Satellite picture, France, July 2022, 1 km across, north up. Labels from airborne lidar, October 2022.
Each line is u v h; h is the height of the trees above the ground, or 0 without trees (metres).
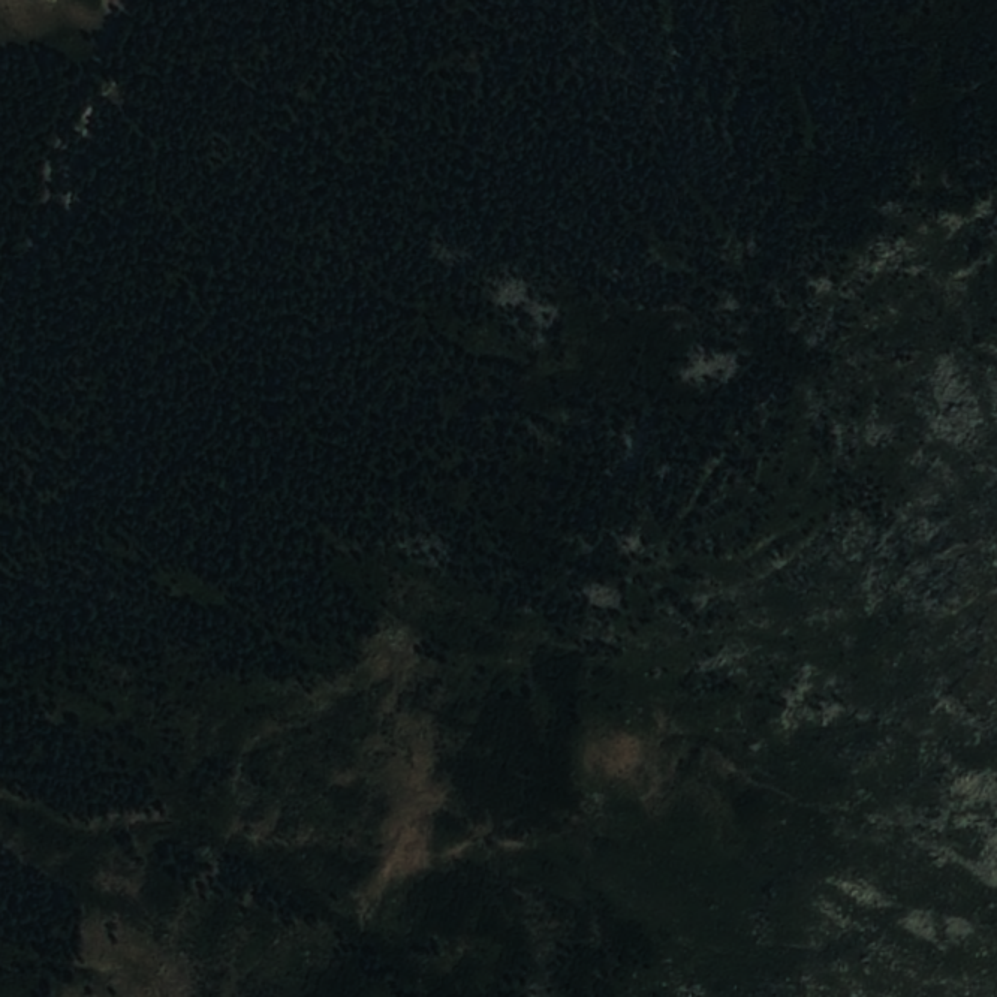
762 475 0
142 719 7
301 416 26
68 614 8
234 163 19
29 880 14
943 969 0
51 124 19
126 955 0
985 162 9
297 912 14
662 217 15
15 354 22
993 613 0
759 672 0
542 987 0
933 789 0
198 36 14
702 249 11
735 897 0
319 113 15
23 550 17
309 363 25
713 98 7
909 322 0
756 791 0
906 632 0
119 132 18
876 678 0
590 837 0
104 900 0
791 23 6
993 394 0
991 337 0
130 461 7
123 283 18
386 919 0
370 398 19
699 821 0
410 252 11
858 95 8
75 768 15
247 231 17
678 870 0
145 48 17
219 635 15
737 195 14
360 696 10
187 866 16
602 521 12
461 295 8
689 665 0
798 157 17
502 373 12
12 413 18
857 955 0
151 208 17
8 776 19
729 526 0
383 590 0
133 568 20
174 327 21
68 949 13
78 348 20
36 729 14
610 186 24
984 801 0
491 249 16
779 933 0
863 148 11
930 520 0
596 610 12
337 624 17
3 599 20
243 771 8
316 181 14
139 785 16
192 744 0
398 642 0
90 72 17
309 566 16
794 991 0
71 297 8
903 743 0
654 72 11
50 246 33
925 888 0
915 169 6
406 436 15
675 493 10
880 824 0
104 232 8
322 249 9
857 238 8
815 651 0
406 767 0
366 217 20
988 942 0
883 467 0
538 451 11
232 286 20
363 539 17
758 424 8
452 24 16
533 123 22
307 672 14
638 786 0
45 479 15
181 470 24
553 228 15
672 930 0
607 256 17
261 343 21
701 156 16
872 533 0
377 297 13
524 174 16
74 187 31
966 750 0
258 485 20
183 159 15
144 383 23
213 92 20
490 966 0
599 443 19
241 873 14
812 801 0
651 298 11
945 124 6
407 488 13
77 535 31
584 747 0
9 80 23
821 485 0
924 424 0
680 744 0
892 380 0
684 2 24
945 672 0
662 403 12
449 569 8
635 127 22
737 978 0
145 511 16
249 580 23
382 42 19
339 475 17
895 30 9
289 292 17
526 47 17
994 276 0
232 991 0
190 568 15
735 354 6
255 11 22
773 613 0
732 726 0
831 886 0
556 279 18
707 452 8
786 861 0
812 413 0
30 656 24
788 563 0
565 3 15
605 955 8
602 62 13
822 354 7
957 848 0
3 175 20
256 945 0
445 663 8
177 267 27
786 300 9
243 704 0
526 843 0
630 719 0
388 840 0
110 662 6
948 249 0
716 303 10
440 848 0
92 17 0
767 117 9
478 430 15
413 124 22
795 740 0
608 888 0
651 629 0
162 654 11
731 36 21
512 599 9
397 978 9
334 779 0
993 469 0
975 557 0
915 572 0
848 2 22
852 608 0
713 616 7
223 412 7
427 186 20
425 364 15
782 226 11
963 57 7
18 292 14
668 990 0
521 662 0
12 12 0
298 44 17
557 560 14
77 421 19
